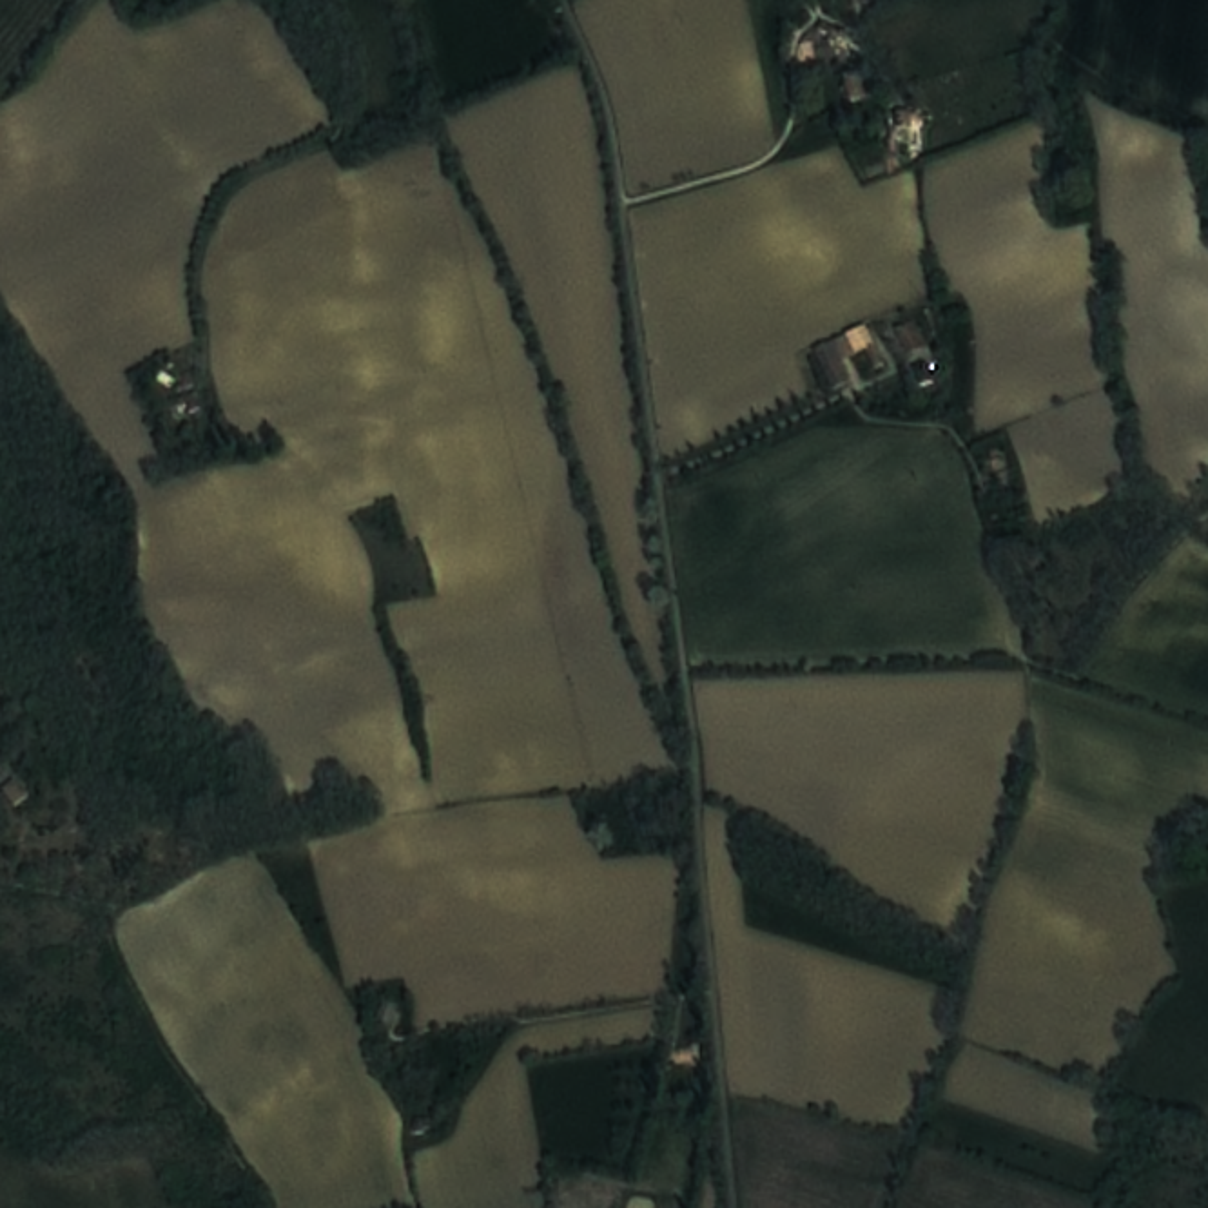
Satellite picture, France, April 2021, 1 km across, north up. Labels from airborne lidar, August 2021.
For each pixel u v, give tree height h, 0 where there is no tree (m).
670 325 0
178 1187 6
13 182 0
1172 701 0
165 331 0
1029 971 0
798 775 0
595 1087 0
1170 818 0
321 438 0
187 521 0
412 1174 7
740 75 0
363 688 0
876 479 0
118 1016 9
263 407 0
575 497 14
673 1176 0
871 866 0
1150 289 0
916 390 15
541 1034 0
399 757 0
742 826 23
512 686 0
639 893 0
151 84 0
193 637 0
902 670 11
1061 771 0
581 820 6
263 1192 13
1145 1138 9
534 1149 0
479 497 0
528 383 0
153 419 8
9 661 19
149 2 12
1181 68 0
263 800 17
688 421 0
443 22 0
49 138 0
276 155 9
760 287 0
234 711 0
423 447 0
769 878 19
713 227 0
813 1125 0
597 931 0
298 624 0
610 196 13
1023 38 0
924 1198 0
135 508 12
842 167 0
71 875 15
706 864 0
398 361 0
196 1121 6
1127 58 0
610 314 0
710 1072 17
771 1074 0
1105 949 0
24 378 22
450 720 0
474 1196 0
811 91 28
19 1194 0
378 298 0
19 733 14
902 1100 0
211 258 0
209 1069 0
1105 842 0
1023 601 17
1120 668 0
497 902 0
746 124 0
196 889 0
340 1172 0
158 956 0
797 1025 0
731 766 0
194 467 15
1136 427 11
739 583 0
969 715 0
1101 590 15
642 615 0
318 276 0
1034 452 0
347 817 23
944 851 0
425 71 13
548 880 0
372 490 0
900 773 0
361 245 0
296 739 0
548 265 0
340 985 0
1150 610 0
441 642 0
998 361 0
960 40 0
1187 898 0
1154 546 15
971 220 0
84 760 23
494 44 0
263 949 0
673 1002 11
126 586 13
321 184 0
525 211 0
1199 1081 0
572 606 0
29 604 25
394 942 0
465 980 0
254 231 0
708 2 0
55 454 21
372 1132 0
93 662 7
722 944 0
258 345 0
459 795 0
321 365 0
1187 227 0
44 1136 10
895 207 0
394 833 0
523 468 0
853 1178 0
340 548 0
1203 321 0
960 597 0
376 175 0
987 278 0
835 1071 0
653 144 0
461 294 0
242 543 0
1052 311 0
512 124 0
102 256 0
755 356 0
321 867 0
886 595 0
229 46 0
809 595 0
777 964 0
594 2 0
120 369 0
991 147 0
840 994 0
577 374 0
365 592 0
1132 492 15
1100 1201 6
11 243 0
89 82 0
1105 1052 0
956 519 0
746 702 0
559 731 0
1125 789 0
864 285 0
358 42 26
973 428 0
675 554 0
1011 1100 0
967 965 18
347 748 0
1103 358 19
